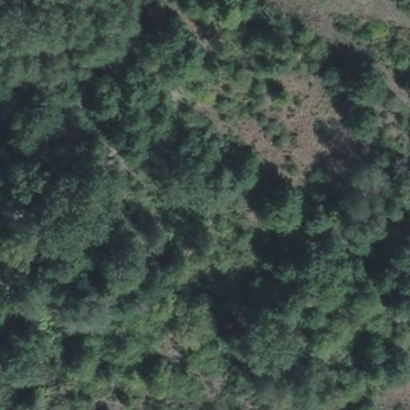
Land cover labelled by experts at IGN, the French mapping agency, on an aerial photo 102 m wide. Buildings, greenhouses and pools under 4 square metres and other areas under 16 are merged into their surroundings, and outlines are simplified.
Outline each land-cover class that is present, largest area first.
<instances>
[{"label":"deciduous trees","instance_id":"1","mask_svg":"<svg viewBox=\"0 0 410 410\"><path fill-rule=\"evenodd\" d=\"M316 75L322 82V88L332 99L333 109L340 114L338 120L314 122V133L319 143L328 147V152H317L314 155V162L304 173L303 186H293L290 179L279 175L275 163H261L256 157L255 147L242 143L237 136L219 135L207 112L195 111L194 98L207 96L211 91L223 85L231 86V90H247L253 78H267ZM391 77L381 74L373 64L370 51L356 50L352 45L341 43H330L325 48L320 35L304 30V24L298 14L283 13L277 3L269 0H133L130 18L122 19L115 16L104 27V35L94 38L93 42L82 50L70 48L56 54L13 56L3 59L0 64V367L5 370L3 375L10 378L14 389L34 386L38 392L40 389L61 386L66 383L70 372L77 370L83 360L93 356V348L85 346L82 333L62 338L59 333L53 332L51 327H64V322H77L85 317H107L117 311L127 312L139 303L147 304V307H154V304L165 306L160 319L167 320L162 327L165 336L162 341H154V351L157 354L179 357L181 349H197L200 344L208 343L213 336L218 335L234 351V356L237 352L250 354L247 364L255 375L271 376H279L283 370H288L299 356V351L306 346L304 338L295 335L296 325L319 328L324 325L325 317L333 322L352 319L356 317L354 304L373 295L376 288L383 306L399 309L397 319H410V208L402 213L404 218L400 221L391 219L386 223L384 239L375 240L372 234H360L354 229H346L340 221H336L338 213L333 211V205L340 200H348V184L360 178L362 171L372 168L383 173L384 168L389 165V152H383L384 146L391 147L399 154L410 155V109L396 98V94L388 90Z\"/></svg>","mask_w":410,"mask_h":410},{"label":"brushwood","instance_id":"2","mask_svg":"<svg viewBox=\"0 0 410 410\"><path fill-rule=\"evenodd\" d=\"M330 18L333 19L335 29L343 32L341 43L352 45L356 50L370 51L373 64L389 58L394 69L410 67V46L397 43L399 29L402 26H396L394 21H381L370 16L368 22L362 26L354 14L340 13H330ZM267 78H253L247 90H231V86L223 85L211 91L216 96L213 106L218 112L219 119H242L243 115H250L251 119L259 123L264 138L272 141L275 147L282 146V143H290L293 147H298L296 131L287 130L282 122L277 120L282 107L290 106L296 93L287 91L285 99H272L267 93ZM376 288L373 295L354 304L356 317L352 319L333 322L325 317L324 325L319 328L296 325L295 335L304 338L306 346L299 351V356L288 370H283L279 376H271L255 375L247 364L250 354L237 352L234 356V351L218 335L213 336L208 343L200 344L197 349H181L179 357L157 354L154 351V341H162L165 336L162 327L167 320L160 319L165 306L154 304V307H147V304L139 303L127 312L117 311L107 317H85L77 322H64V327H51L53 332L59 333L62 338L82 333L85 346L93 348V356L83 360L77 370L70 372L66 383L61 386L40 389L38 392L34 386L14 389L10 378L3 375L5 370L0 367V410H410V319H397L399 309L383 306Z\"/></svg>","mask_w":410,"mask_h":410},{"label":"herbaceous vegetation","instance_id":"3","mask_svg":"<svg viewBox=\"0 0 410 410\"><path fill-rule=\"evenodd\" d=\"M277 3L283 13L298 14L304 24V30L320 35L325 48L330 43H341L343 32L335 29L333 19L330 18V13H340L354 14L362 26L368 22L370 16L381 21H394L396 26H402L399 29L397 43L410 46V0H269ZM381 74L391 77L388 90L396 94V98L410 109V67L394 69L389 58L373 64ZM267 93L272 99H285L287 91L296 93L290 106L282 107L277 120L282 122L287 130L296 131L298 147H293L290 143H282V146L275 147L272 141L264 138L259 123L251 119L250 115H243L242 119H219L218 112L213 106L216 96L211 91L207 96L194 98L195 111L207 112L219 135L237 136L242 143L255 147L256 157L261 163H275L279 175L290 179L293 186H303L304 173L314 162V155L317 152H328V147L319 143L314 133V122L338 120L340 114L333 109L332 99L322 88V82L316 75L267 78Z\"/></svg>","mask_w":410,"mask_h":410},{"label":"coniferous trees","instance_id":"4","mask_svg":"<svg viewBox=\"0 0 410 410\"><path fill-rule=\"evenodd\" d=\"M133 0H0V64L3 59L13 56L56 54L70 48L82 50L93 42L94 38L104 35V27L115 16L122 19L130 18ZM383 152H389V165L384 168L383 173L372 168L362 171L360 178L348 184V200H340L333 205V211L338 213L336 221H340L346 229H354L360 234H372L375 240L384 239L386 223L391 219L400 221L404 218L402 213L410 208V155L399 154L391 147L384 146Z\"/></svg>","mask_w":410,"mask_h":410}]
</instances>
